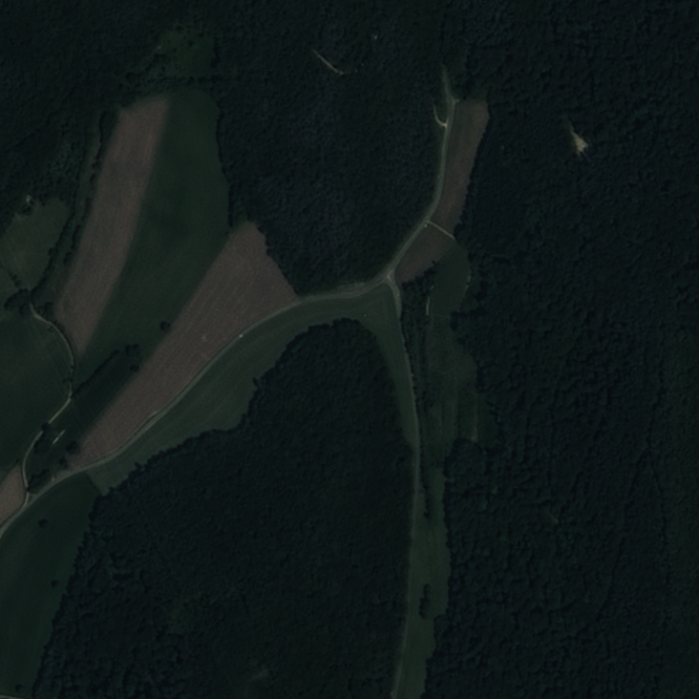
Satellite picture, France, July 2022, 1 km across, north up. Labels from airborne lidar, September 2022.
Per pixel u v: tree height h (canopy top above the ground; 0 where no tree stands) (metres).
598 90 31
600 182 30
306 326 0
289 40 15
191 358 0
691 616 19
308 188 25
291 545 19
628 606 20
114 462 0
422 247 0
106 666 30
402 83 22
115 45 20
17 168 14
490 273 25
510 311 28
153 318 0
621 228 27
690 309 39
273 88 14
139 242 0
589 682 24
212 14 22
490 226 19
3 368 0
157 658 31
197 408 0
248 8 16
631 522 17
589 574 28
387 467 21
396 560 21
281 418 22
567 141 29
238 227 20
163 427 0
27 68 8
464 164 0
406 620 21
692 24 20
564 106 32
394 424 23
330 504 10
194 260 0
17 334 0
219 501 21
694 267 7
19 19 15
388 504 20
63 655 20
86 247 0
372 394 28
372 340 22
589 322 12
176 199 0
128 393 0
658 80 23
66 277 0
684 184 30
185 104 0
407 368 0
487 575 24
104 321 0
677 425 15
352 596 26
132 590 31
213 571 24
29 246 0
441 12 23
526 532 24
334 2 15
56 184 22
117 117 15
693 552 15
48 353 0
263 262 0
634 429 24
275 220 24
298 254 25
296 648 24
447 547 0
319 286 20
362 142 13
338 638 28
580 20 28
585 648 26
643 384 23
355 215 10
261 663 10
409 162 26
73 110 22
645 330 24
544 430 25
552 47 31
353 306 0
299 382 20
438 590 0
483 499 27
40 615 0
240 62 23
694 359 24
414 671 0
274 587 23
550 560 26
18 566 0
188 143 0
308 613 21
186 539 24
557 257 27
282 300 0
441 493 0
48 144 20
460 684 39
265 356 0
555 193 26
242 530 22
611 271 29
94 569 21
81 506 0
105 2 14
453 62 28
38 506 0
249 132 16
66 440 0
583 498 28
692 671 28
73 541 0
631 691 23
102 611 31
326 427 20
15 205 20
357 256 12
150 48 18
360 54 11
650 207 28
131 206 0
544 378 25
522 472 25
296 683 22
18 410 0
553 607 25
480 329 25
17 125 12
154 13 17
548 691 22
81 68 23
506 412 28
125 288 0
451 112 0
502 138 20
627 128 21
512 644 27
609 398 7
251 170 19
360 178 13
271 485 19
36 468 0
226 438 21
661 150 28
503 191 19
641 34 28
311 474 23
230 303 0
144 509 24
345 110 19
